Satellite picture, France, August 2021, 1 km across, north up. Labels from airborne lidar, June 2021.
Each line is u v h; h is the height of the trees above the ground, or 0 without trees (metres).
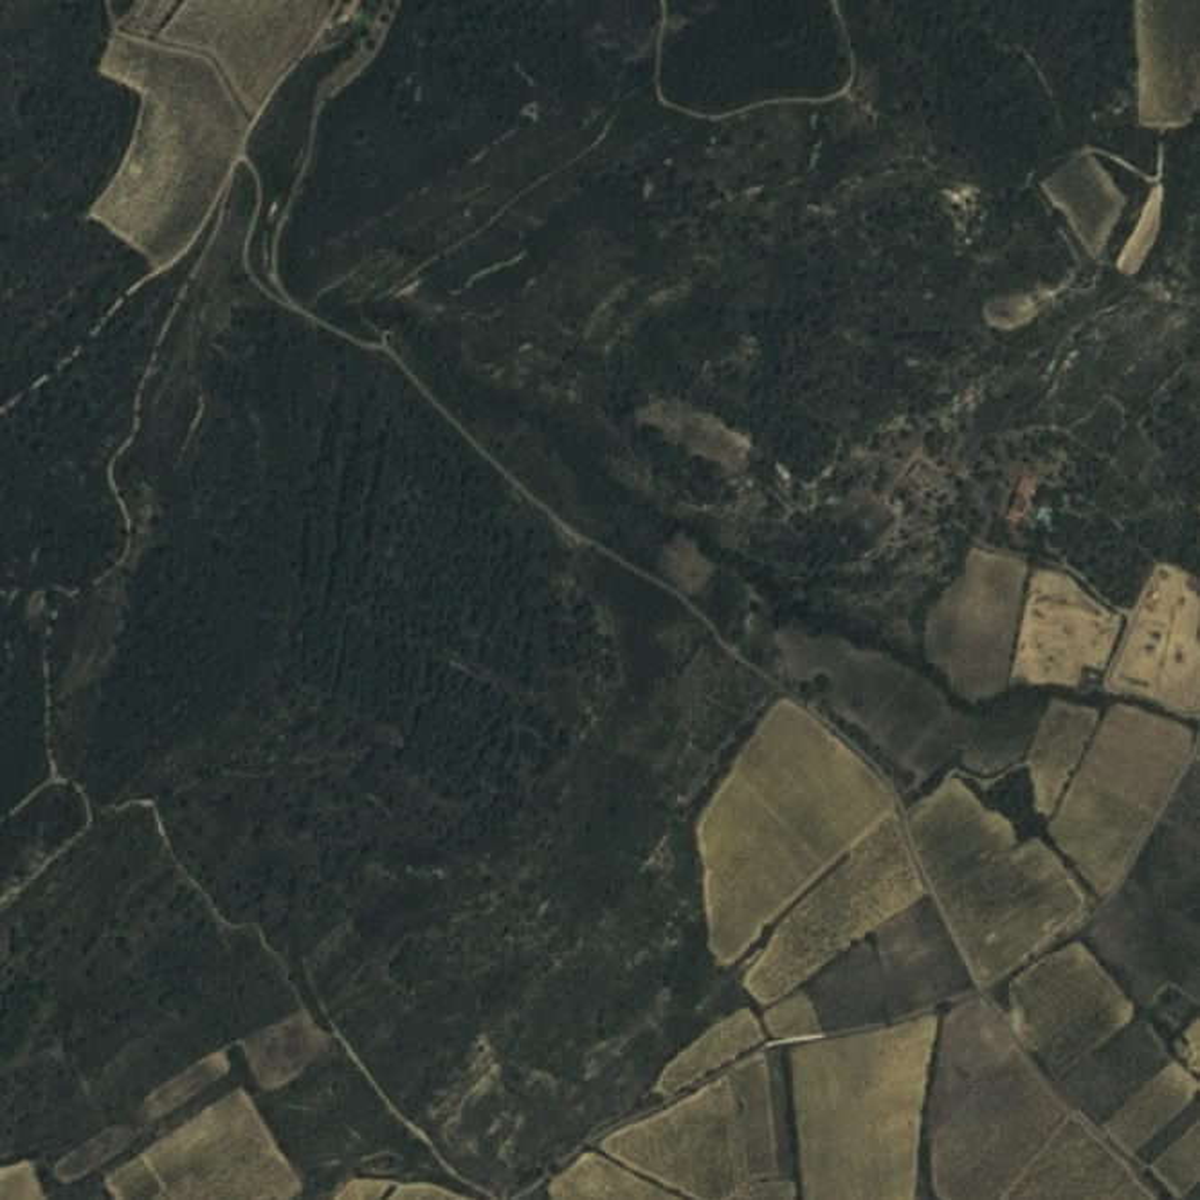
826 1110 0
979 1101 0
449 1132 0
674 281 0
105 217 0
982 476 8
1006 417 0
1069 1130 0
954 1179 0
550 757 15
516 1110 0
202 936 8
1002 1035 0
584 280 0
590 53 0
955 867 0
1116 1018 0
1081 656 0
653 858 0
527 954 0
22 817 0
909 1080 0
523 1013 0
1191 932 0
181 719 6
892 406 0
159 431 0
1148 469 0
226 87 0
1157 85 0
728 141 9
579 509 0
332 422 10
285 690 11
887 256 7
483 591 11
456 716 8
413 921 0
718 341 0
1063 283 0
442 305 0
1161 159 0
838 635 8
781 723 0
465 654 11
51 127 8
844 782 0
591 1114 0
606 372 10
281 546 8
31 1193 0
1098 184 0
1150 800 0
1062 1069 0
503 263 0
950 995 0
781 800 0
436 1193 0
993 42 8
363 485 12
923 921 0
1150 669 0
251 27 0
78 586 6
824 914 0
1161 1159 0
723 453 0
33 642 6
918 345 10
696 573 0
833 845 0
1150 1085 0
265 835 13
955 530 7
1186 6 0
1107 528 9
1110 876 0
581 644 12
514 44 6
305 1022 0
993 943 0
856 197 0
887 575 8
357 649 11
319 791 9
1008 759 0
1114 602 9
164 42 0
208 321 0
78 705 0
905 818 0
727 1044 0
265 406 7
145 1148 0
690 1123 0
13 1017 14
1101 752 0
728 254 0
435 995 0
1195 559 12
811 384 10
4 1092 6
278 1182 0
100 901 0
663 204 8
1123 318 0
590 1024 0
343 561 15
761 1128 0
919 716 0
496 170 0
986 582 0
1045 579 0
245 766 6
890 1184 0
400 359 0
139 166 0
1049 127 11
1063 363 0
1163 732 0
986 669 0
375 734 0
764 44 9
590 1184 0
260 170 0
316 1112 0
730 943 0
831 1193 0
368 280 0
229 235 0
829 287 8
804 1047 0
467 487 10
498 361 0
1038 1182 0
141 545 0
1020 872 0
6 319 7
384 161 0
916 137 0
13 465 0
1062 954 0
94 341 9
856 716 0
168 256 0
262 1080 0
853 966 0
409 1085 0
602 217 0
